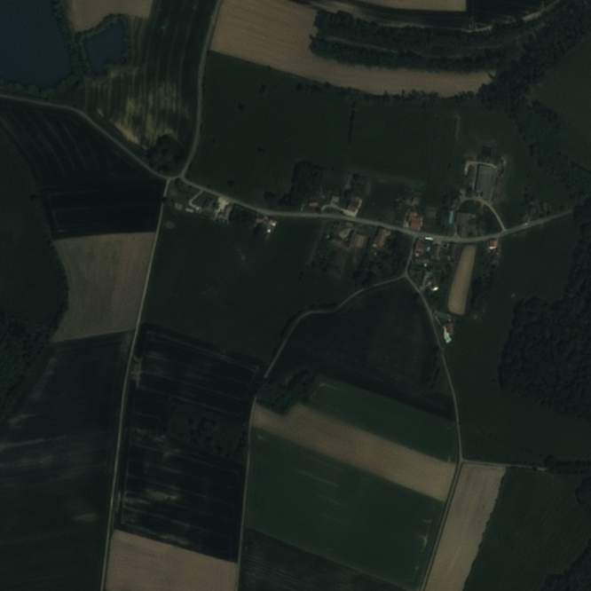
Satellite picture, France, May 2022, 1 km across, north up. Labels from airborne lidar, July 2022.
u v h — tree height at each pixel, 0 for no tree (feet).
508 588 0
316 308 37
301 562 0
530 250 0
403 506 0
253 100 0
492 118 0
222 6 0
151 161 47
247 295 0
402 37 55
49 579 0
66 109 0
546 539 0
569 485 0
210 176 0
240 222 34
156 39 0
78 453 0
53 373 0
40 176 0
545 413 0
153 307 0
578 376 35
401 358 0
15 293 0
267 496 0
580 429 0
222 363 0
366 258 21
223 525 0
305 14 0
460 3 0
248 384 0
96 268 0
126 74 0
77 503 0
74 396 0
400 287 0
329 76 0
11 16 0
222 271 0
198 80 0
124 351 0
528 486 0
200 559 0
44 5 0
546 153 73
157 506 0
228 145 0
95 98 0
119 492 0
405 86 0
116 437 0
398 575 0
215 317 0
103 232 0
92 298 0
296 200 34
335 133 0
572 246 0
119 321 0
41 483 0
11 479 0
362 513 0
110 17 24
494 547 0
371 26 51
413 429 0
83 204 0
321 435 0
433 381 23
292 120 0
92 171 0
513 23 0
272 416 0
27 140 0
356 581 0
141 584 0
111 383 0
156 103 0
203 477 0
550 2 0
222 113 0
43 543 0
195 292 0
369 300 0
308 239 0
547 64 86
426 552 0
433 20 0
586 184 84
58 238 0
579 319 93
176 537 0
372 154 0
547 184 0
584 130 0
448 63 62
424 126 0
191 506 0
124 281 0
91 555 0
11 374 25
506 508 0
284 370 0
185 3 0
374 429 0
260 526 0
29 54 0
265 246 0
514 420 0
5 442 0
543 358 89
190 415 0
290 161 0
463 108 0
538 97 0
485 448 0
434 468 0
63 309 32
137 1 0
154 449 0
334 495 0
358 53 77
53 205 0
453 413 0
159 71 0
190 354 0
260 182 0
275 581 0
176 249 0
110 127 0
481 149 0
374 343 0
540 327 71
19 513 0
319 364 0
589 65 0
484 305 40
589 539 0
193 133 0
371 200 0
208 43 0
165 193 0
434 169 0
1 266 0
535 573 0
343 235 0
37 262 0
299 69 0
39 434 0
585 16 105
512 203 0
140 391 0
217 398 0
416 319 0
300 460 0
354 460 0
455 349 0
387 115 0
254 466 0
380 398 0
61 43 0
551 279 0
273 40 0
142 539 0
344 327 0
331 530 0
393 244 22
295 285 0
